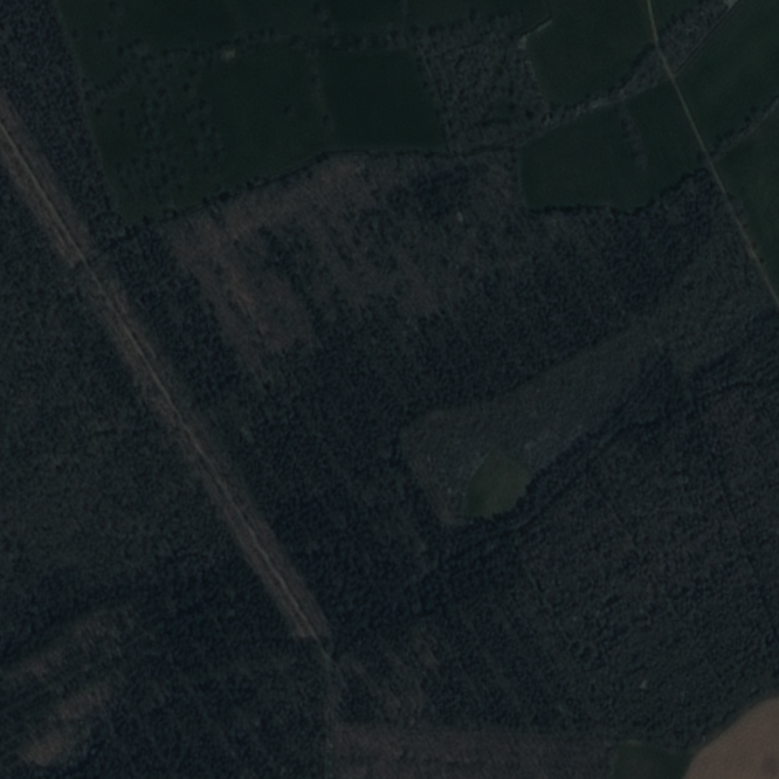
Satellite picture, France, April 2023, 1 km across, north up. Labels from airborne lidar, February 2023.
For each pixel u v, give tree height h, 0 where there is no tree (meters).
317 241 14
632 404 22
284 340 15
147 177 13
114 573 19
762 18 0
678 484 18
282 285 13
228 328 13
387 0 0
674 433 21
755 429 13
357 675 19
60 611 26
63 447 15
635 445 17
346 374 16
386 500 19
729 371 17
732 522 18
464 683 11
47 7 16
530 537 18
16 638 17
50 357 17
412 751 14
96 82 0
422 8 0
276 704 19
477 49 9
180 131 0
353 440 16
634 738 16
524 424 7
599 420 9
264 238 14
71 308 17
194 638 25
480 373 21
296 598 17
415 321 13
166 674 23
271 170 0
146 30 0
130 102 0
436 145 0
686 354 13
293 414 20
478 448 6
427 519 20
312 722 17
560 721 21
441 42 16
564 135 0
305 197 18
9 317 19
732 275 19
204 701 19
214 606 25
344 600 21
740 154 0
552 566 15
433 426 11
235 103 0
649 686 15
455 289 12
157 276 20
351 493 21
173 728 21
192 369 20
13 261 15
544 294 19
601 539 16
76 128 16
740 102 0
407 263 15
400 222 12
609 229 20
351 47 0
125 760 21
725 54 0
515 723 20
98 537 19
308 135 0
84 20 0
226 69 0
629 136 16
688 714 20
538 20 0
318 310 18
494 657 18
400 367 17
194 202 0
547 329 19
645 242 20
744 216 15
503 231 17
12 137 9
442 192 20
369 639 23
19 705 23
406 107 0
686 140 0
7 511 17
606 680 16
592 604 18
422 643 13
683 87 0
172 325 16
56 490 18
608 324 21
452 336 16
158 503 18
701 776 0
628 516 18
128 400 21
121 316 18
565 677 16
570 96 0
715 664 19
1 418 13
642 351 10
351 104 0
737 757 0
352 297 14
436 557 23
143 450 17
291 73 0
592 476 13
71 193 17
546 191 0
